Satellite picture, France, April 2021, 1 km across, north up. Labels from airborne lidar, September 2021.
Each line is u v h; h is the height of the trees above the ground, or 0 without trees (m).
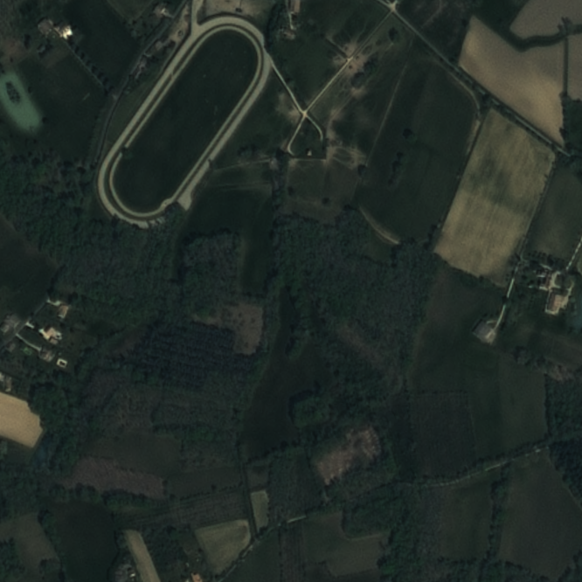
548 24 0
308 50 0
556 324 0
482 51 0
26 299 0
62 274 15
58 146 0
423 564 15
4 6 27
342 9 0
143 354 15
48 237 20
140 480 16
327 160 0
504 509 16
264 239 0
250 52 0
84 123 0
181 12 0
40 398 24
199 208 0
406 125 0
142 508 20
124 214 0
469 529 0
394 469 19
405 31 0
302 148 0
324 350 16
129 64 0
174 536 17
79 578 0
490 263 0
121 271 19
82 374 20
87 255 21
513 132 0
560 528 0
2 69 9
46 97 0
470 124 0
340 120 0
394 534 13
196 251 23
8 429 0
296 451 18
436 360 0
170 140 0
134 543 0
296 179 0
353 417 13
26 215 17
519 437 0
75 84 0
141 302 22
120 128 0
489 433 0
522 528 0
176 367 16
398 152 0
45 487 14
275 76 0
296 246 23
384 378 19
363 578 0
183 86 0
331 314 15
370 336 14
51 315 9
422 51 0
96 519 0
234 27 0
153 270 21
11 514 16
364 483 15
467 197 0
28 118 0
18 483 20
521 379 0
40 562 0
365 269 20
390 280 20
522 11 0
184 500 8
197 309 19
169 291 24
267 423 0
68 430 23
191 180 0
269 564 0
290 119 0
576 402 14
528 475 0
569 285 19
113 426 14
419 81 0
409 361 18
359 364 8
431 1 0
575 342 0
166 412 13
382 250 0
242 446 15
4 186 24
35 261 0
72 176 24
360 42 0
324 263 16
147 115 0
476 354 0
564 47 0
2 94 0
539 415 0
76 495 15
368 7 0
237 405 16
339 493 15
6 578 12
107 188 0
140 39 9
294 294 21
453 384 0
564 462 23
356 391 9
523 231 0
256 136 0
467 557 0
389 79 0
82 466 19
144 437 0
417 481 15
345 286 19
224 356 16
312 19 0
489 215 0
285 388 0
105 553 0
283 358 0
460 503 0
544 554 0
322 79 0
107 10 0
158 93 0
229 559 0
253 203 0
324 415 27
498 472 0
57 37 0
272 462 10
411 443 7
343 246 18
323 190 0
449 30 0
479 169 0
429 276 22
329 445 18
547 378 11
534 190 0
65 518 0
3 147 27
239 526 0
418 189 0
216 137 0
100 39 0
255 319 0
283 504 11
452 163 0
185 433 19
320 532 0
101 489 18
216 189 0
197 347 18
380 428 11
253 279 0
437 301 0
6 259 0
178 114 0
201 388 16
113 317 20
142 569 0
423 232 0
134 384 14
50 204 25
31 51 15
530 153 0
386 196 0
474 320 0
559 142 0
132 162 0
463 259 0
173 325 17
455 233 0
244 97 0
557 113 0
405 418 8
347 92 0
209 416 15
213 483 0
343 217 12
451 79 0
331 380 0
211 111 0
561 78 0
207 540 0
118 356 0
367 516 15
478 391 0
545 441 8
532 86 0
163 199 0
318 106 0
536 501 0
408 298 19
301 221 22
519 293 20
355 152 0
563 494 0
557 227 0
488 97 12
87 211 10
